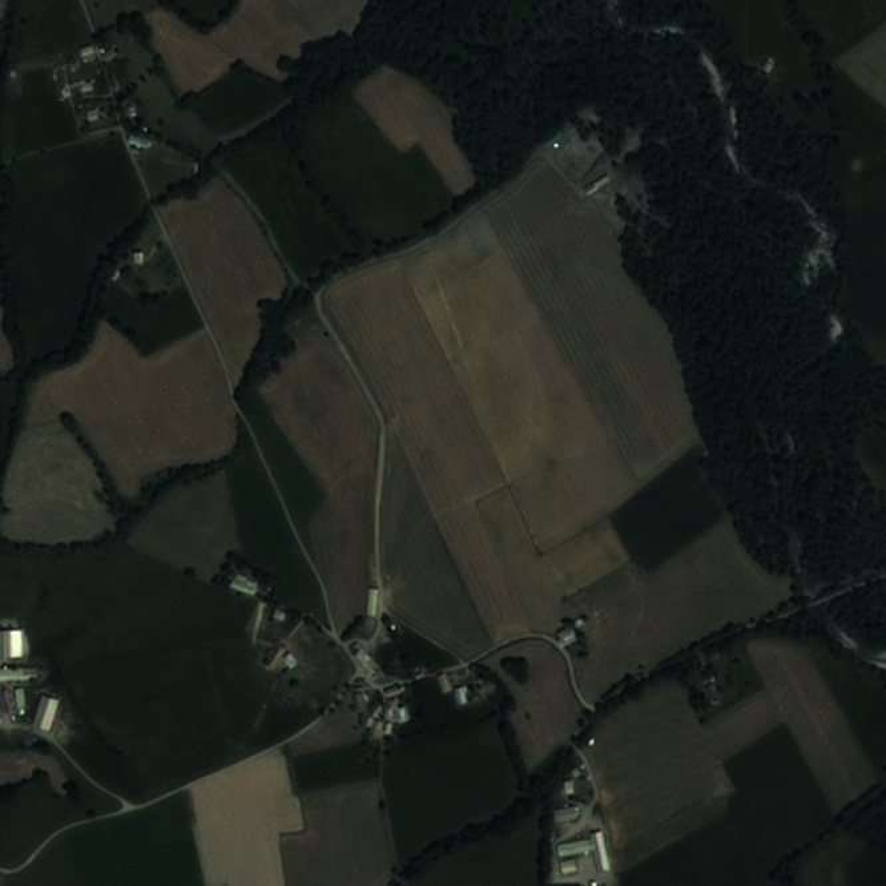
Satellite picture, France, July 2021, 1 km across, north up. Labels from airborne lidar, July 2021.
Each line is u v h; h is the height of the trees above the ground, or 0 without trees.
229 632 0
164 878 0
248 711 0
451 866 0
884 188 0
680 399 0
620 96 8
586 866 0
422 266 0
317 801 0
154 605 0
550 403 0
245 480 0
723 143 7
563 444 0
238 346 0
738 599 0
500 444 0
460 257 0
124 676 0
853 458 6
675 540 0
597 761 0
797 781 0
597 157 0
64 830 0
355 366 0
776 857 0
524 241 0
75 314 0
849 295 0
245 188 0
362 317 0
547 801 15
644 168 7
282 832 0
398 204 0
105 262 17
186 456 0
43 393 0
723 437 19
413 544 0
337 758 0
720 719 0
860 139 0
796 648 0
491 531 0
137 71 0
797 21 9
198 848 0
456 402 0
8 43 10
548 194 0
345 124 0
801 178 17
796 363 14
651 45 15
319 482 0
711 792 0
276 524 0
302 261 0
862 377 10
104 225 0
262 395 0
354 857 0
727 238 18
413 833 0
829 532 20
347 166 0
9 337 12
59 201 0
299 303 12
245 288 0
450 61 15
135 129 11
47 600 0
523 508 0
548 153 0
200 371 0
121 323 14
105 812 0
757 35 0
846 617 15
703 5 18
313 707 0
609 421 0
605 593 0
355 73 20
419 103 0
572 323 0
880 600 17
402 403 0
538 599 0
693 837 0
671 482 0
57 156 0
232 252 0
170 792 0
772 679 0
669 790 0
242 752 0
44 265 0
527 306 0
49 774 12
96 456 9
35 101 0
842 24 0
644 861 0
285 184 0
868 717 0
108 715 0
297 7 0
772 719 0
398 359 0
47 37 0
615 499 0
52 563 0
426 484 0
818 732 0
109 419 0
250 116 0
